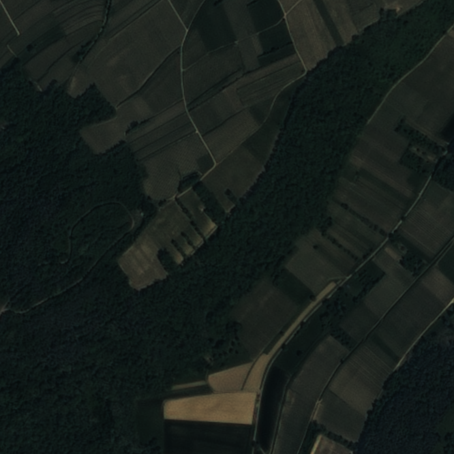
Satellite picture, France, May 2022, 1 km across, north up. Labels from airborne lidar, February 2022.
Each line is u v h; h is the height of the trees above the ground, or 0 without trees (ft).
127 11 0
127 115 0
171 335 0
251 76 0
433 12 26
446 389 42
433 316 0
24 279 37
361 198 0
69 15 0
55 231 30
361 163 0
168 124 0
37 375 46
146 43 0
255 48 0
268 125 0
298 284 0
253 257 65
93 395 0
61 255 24
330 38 0
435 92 0
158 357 64
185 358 65
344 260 0
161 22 0
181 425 0
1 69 0
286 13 0
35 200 36
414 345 0
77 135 48
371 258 0
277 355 0
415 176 0
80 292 41
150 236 0
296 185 70
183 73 0
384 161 0
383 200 0
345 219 0
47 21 0
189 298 56
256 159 0
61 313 41
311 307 0
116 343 55
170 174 0
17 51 0
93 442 81
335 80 61
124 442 70
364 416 0
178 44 0
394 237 28
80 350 61
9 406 33
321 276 0
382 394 0
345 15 0
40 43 0
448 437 28
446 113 0
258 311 0
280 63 0
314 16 0
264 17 0
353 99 38
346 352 0
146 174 0
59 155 45
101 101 31
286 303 0
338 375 0
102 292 31
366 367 0
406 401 60
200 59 0
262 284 0
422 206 0
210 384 0
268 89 0
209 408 0
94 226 20
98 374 55
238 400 0
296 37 0
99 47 0
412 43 22
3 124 0
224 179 0
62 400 72
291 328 0
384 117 0
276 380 0
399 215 0
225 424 0
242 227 78
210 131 0
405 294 0
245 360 0
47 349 48
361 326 0
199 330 57
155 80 0
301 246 0
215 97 0
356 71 48
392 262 0
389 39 19
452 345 49
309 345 0
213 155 0
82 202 19
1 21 0
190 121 0
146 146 0
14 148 39
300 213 72
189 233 0
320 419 0
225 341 41
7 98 74
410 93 0
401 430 47
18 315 29
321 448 0
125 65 0
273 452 0
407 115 0
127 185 28
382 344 0
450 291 0
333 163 52
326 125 63
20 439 50
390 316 0
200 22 0
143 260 0
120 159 31
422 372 59
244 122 0
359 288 0
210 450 0
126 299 47
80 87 0
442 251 0
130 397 93
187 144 0
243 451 0
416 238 0
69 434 54
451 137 0
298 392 0
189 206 0
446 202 0
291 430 0
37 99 59
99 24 0
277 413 0
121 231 31
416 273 20
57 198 22
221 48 0
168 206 0
